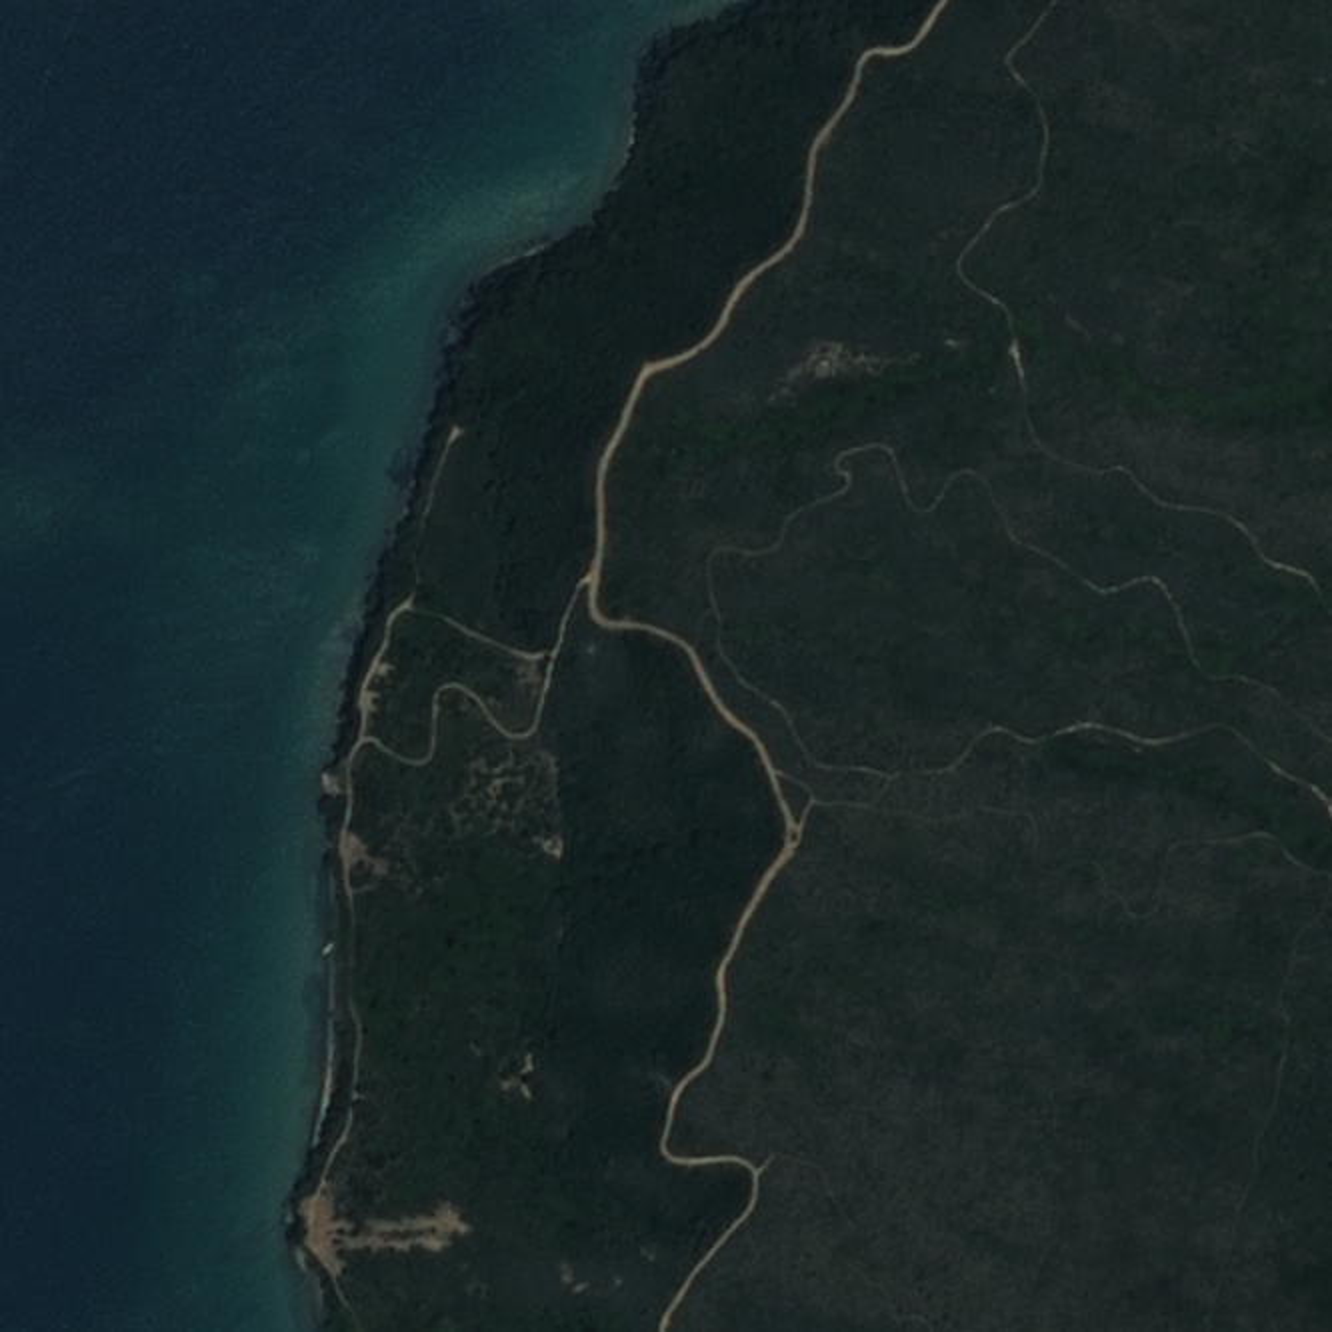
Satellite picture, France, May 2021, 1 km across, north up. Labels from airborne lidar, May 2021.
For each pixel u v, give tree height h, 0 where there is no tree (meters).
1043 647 0
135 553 0
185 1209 0
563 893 8
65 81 0
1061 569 0
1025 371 0
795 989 0
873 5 7
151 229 0
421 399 0
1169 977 0
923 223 0
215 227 0
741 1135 0
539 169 0
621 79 0
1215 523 0
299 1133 0
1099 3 0
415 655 6
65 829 0
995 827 0
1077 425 0
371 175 0
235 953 0
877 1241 0
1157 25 0
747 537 0
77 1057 0
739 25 8
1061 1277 0
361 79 0
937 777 0
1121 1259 0
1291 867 0
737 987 0
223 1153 0
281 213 0
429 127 0
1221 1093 0
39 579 0
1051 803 0
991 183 0
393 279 0
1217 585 0
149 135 0
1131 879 0
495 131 0
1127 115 0
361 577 0
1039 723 0
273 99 0
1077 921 0
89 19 0
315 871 0
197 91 0
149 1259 0
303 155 0
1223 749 0
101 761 0
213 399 0
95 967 0
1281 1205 0
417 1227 0
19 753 0
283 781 0
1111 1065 0
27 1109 0
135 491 0
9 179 0
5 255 0
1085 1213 0
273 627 0
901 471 0
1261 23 0
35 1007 0
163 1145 0
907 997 0
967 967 0
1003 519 0
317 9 0
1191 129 0
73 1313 0
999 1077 0
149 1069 0
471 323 6
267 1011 0
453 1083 8
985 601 0
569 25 0
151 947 0
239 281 0
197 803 0
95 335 0
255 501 0
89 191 0
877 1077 0
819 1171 0
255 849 0
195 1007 0
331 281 0
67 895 0
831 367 0
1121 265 0
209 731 0
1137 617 0
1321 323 0
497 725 0
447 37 0
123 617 0
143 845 0
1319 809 0
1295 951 0
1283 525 0
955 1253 0
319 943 0
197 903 0
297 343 0
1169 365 0
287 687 0
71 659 0
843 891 0
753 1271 0
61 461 0
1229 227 0
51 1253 0
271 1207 0
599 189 0
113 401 0
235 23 0
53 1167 0
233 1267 0
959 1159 0
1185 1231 0
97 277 0
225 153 0
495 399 9
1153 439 0
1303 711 0
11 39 0
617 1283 0
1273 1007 0
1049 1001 0
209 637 0
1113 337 0
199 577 0
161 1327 0
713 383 0
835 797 0
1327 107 0
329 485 0
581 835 7
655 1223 8
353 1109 6
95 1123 0
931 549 0
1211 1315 0
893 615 0
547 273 8
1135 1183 0
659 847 11
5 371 0
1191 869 0
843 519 0
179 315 0
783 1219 0
